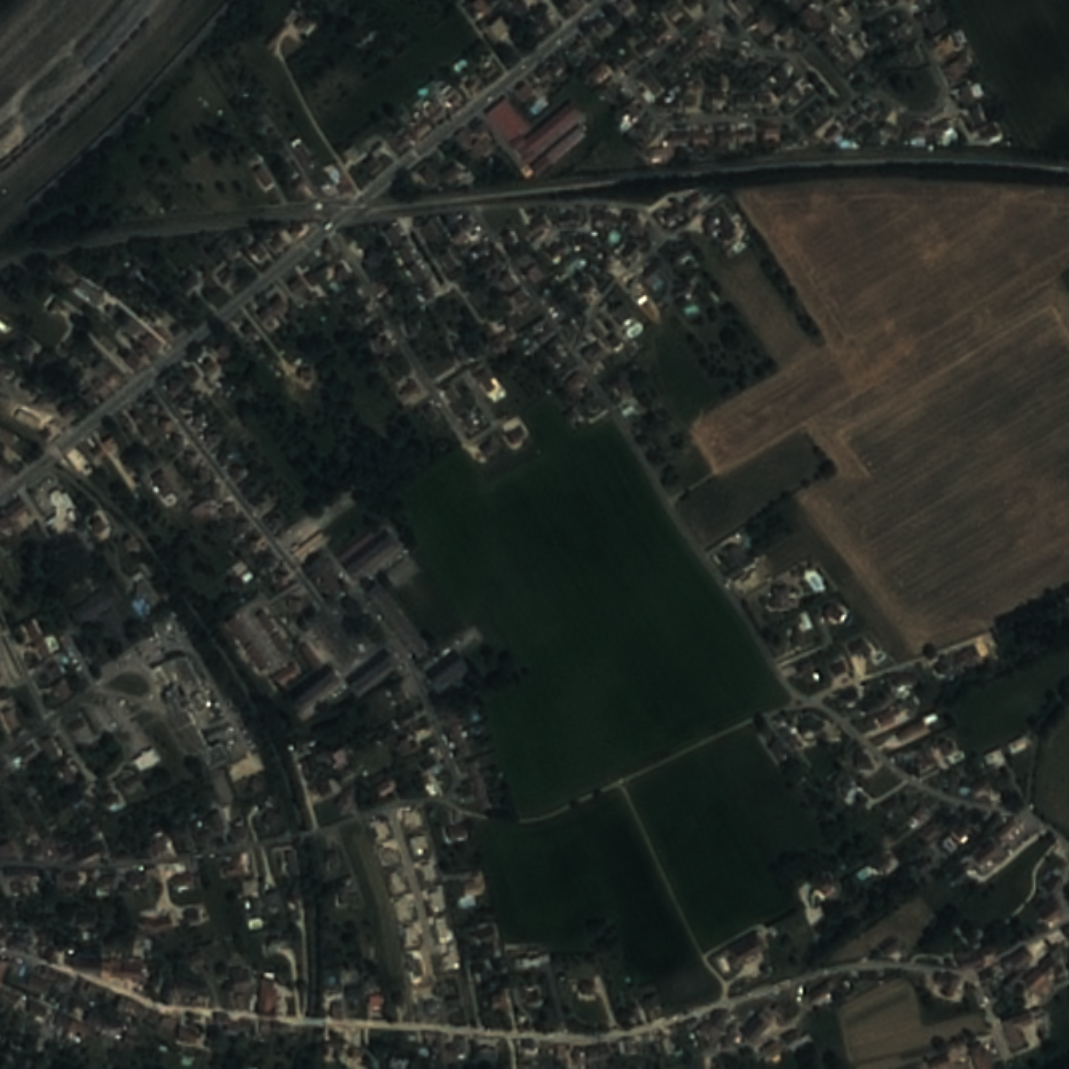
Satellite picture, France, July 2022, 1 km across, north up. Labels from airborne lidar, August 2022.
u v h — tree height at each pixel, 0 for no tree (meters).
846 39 6
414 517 0
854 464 0
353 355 12
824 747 11
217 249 6
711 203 0
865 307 0
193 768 13
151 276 8
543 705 0
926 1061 7
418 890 0
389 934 0
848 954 0
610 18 18
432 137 0
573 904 0
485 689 20
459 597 0
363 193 0
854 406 0
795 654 0
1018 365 0
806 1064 21
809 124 6
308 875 15
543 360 6
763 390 0
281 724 14
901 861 6
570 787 0
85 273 6
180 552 11
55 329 0
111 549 7
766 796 0
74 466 0
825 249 0
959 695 15
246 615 0
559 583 0
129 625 10
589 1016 0
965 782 7
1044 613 18
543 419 0
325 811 0
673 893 0
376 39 7
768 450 0
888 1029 0
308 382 0
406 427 14
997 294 0
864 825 0
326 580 0
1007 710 0
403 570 0
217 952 0
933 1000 8
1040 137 0
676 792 0
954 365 0
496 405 0
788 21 8
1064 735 0
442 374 0
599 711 0
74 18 0
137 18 0
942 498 0
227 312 0
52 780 7
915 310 0
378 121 11
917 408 0
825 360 0
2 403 0
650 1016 0
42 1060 14
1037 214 0
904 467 0
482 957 7
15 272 12
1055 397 0
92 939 6
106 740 13
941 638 0
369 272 8
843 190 0
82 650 18
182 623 12
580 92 0
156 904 0
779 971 0
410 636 0
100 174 21
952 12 9
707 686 0
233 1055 11
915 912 0
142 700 0
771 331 0
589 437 0
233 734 0
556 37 0
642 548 0
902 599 0
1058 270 0
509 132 0
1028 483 0
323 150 0
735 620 0
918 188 0
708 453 0
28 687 0
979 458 0
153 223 0
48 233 20
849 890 7
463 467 0
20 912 6
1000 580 0
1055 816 0
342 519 0
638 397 7
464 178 0
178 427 0
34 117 0
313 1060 11
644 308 0
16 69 0
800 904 8
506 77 0
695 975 0
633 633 0
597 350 0
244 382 13
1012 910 0
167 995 0
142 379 0
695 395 0
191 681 0
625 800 0
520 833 0
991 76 0
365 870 0
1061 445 0
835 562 0
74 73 0
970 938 16
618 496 0
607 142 0
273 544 0
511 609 0
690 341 9
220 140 16
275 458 0
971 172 8
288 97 0
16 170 0
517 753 0
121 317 19
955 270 0
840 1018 0
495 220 0
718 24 0
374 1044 12
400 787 6
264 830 0
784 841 0
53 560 19
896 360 0
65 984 0
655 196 9
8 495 0
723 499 0
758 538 7
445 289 0
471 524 0
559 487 0
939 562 0
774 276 7
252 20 11
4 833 6
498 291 7
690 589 0
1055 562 0
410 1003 0
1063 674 0
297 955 0
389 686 10
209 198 0
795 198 0
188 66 8
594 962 6
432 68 0
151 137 0
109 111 0
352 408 13
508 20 20
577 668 0
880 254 0
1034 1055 0
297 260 0
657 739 0
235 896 10
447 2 6
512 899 0
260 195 0
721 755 0
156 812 7
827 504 0
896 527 0
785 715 10
